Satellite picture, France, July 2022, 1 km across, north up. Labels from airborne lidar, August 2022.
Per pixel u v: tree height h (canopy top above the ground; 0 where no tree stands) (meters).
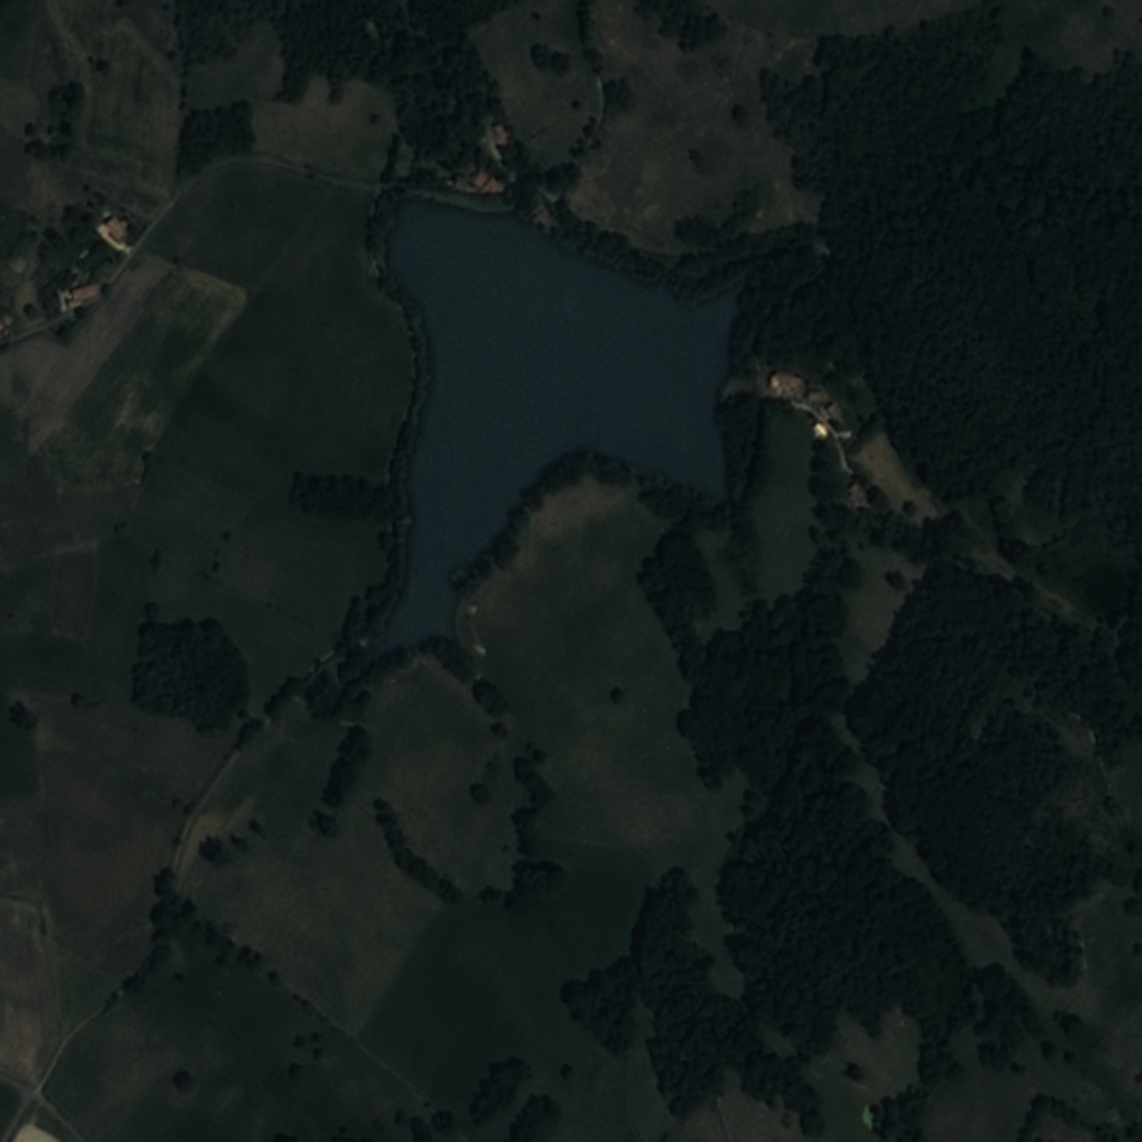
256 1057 0
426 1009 0
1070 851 6
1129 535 15
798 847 25
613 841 0
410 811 0
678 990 15
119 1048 0
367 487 15
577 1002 22
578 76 0
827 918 23
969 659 15
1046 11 0
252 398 0
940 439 18
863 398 0
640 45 0
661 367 0
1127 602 8
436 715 0
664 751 0
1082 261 19
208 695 21
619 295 0
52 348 0
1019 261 8
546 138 0
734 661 25
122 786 0
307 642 0
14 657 0
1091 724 11
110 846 0
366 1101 0
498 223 0
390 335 0
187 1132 0
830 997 17
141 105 0
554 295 0
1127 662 20
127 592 0
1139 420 11
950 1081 8
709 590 22
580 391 0
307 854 0
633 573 0
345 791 20
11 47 0
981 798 20
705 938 0
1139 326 17
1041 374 13
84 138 0
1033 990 0
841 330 29
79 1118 0
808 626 28
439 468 0
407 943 0
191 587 0
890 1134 19
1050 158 26
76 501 0
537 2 0
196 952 0
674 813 0
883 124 14
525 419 0
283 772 0
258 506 0
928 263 21
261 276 0
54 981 0
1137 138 9
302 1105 0
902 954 24
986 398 14
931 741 19
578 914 0
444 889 17
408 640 0
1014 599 32
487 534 0
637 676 0
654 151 0
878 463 0
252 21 7
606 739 0
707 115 0
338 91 7
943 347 15
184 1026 0
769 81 13
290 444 0
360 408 0
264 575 0
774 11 0
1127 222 25
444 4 14
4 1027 0
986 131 13
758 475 18
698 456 0
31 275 0
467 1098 0
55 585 0
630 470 17
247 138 14
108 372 0
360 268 0
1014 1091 0
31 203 0
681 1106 14
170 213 0
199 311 0
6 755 0
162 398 0
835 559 23
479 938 0
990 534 0
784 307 19
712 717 24
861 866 25
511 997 0
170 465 0
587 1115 0
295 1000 10
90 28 0
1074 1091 0
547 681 0
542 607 0
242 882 0
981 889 19
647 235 0
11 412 0
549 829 0
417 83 14
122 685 0
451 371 0
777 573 0
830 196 16
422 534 0
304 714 0
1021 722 16
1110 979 0
